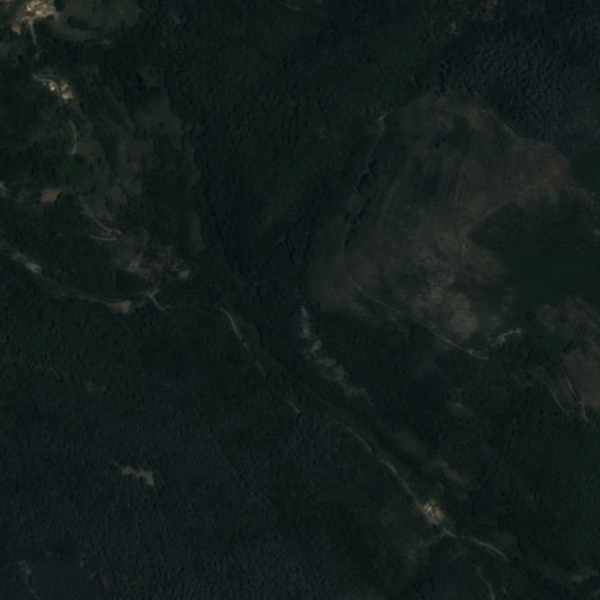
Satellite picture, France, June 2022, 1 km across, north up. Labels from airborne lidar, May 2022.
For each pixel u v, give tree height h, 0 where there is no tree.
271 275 8
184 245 19
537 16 19
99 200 0
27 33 6
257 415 16
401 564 13
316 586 12
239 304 17
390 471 6
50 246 15
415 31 11
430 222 0
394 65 13
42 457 18
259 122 12
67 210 13
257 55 15
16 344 17
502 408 13
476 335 0
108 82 12
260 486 16
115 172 9
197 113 8
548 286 0
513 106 8
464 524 13
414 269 0
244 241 20
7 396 17
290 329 7
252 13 12
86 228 10
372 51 14
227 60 11
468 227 0
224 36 13
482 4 18
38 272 0
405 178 0
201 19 16
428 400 13
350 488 6
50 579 12
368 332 14
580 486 15
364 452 12
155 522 18
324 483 8
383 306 0
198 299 10
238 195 20
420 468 16
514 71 13
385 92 15
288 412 13
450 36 14
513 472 13
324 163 12
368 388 11
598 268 0
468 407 9
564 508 16
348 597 7
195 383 13
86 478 13
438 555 14
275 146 17
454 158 0
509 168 0
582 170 0
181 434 14
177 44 9
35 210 0
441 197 0
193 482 17
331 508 6
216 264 16
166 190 13
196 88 15
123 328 21
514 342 9
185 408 13
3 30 9
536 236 0
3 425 16
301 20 10
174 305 6
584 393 0
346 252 0
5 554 18
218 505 16
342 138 6
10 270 20
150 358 15
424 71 22
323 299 0
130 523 18
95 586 13
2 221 13
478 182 0
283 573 16
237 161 18
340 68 14
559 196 0
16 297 21
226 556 14
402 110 0
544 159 0
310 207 24
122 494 11
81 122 7
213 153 18
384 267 0
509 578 10
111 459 11
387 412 16
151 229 11
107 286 13
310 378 12
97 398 12
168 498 14
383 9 16
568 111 8
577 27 16
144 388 16
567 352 12
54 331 16
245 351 10
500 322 0
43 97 10
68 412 21
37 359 21
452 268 0
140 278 14
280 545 6
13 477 21
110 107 8
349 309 0
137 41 17
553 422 16
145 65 12
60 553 12
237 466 16
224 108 12
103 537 7
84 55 20
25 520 19
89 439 15
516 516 18
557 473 11
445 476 8
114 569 12
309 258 15
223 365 9
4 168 11
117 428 20
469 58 12
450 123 0
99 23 0
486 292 0
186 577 19
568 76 17
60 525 17
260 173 18
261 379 11
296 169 12
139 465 14
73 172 0
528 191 0
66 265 16
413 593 23
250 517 19
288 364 23
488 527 14
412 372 9
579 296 0
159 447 17
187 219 20
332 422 12
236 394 14
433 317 0
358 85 17
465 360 7
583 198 0
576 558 11
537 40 10
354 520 10
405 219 0
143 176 8
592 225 0
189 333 14
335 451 11
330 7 15
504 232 0
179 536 17
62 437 19
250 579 18
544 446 14
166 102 0
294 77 21
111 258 8
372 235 0
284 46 13
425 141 0
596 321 0
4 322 15
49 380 13
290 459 11
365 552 9
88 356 14
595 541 13
